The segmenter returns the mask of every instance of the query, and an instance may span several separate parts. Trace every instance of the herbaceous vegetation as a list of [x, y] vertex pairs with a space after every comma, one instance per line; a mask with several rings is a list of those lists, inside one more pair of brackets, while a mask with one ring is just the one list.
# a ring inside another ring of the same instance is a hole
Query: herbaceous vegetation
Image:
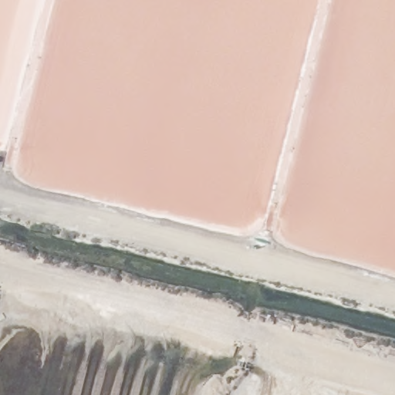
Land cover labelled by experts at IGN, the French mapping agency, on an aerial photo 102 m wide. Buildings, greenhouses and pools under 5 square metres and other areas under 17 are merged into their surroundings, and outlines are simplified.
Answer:
[[313, 324], [322, 329], [338, 329], [349, 338], [361, 338], [375, 346], [395, 347], [395, 338], [343, 326], [338, 322], [299, 316], [296, 313], [285, 315], [279, 310], [264, 307], [261, 309], [261, 321], [265, 321], [265, 316], [270, 315], [272, 322], [290, 319], [301, 324]]
[[76, 241], [76, 231], [68, 231], [52, 224], [35, 224], [31, 227], [32, 230], [43, 233], [43, 236]]
[[2, 238], [0, 233], [0, 244], [12, 252], [25, 252], [23, 244], [15, 241], [14, 236]]
[[197, 384], [208, 380], [210, 376], [227, 372], [231, 367], [230, 361], [225, 356], [214, 358], [199, 352], [190, 358], [187, 356], [187, 346], [182, 346], [177, 341], [162, 341], [160, 344], [164, 346], [165, 355], [171, 358], [182, 356], [170, 395], [194, 395]]

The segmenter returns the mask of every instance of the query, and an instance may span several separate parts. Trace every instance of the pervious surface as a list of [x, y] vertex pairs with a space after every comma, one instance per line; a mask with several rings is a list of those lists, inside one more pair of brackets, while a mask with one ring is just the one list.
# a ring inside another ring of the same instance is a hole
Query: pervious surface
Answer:
[[103, 197], [80, 191], [49, 187], [43, 182], [23, 176], [19, 170], [19, 157], [23, 125], [56, 0], [19, 0], [6, 45], [5, 66], [0, 77], [0, 219], [26, 228], [31, 227], [35, 224], [52, 224], [68, 231], [76, 231], [76, 241], [117, 248], [123, 252], [160, 259], [202, 272], [231, 276], [241, 281], [258, 281], [268, 289], [321, 299], [344, 309], [378, 313], [395, 319], [395, 270], [343, 256], [313, 252], [310, 248], [293, 244], [282, 236], [287, 230], [284, 219], [281, 218], [281, 208], [284, 202], [285, 182], [292, 167], [292, 147], [298, 140], [304, 102], [310, 89], [310, 74], [315, 71], [316, 54], [321, 45], [332, 0], [318, 0], [267, 207], [259, 218], [247, 227], [228, 227], [201, 219], [184, 218], [168, 211], [148, 210], [125, 202], [108, 201]]
[[194, 395], [395, 395], [395, 347], [375, 346], [361, 338], [349, 338], [338, 329], [322, 329], [313, 324], [301, 324], [290, 319], [272, 322], [270, 315], [265, 316], [265, 321], [261, 321], [261, 309], [256, 307], [252, 312], [245, 312], [241, 304], [235, 302], [231, 306], [224, 299], [201, 298], [187, 292], [173, 295], [160, 287], [147, 287], [133, 279], [116, 281], [111, 276], [86, 272], [79, 267], [51, 265], [43, 256], [31, 258], [25, 252], [12, 252], [0, 244], [0, 395], [170, 395], [182, 356], [171, 358], [165, 355], [164, 346], [160, 344], [162, 341], [177, 341], [182, 346], [187, 346], [187, 356], [190, 358], [199, 352], [214, 358], [225, 356], [230, 361], [231, 367], [227, 372], [210, 376], [208, 380], [197, 384]]

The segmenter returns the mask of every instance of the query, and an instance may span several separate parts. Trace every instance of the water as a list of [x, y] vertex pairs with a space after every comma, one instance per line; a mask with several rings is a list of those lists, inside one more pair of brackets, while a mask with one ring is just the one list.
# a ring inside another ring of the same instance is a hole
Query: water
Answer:
[[310, 248], [313, 252], [343, 256], [395, 270], [395, 0], [332, 0], [321, 45], [316, 54], [315, 71], [310, 74], [310, 89], [304, 102], [298, 140], [292, 147], [292, 167], [285, 182], [284, 202], [281, 208], [281, 218], [284, 219], [287, 230], [282, 236], [293, 244]]
[[0, 0], [0, 77], [5, 66], [6, 45], [19, 0]]
[[395, 319], [378, 313], [344, 309], [321, 299], [268, 289], [258, 281], [241, 281], [231, 276], [202, 272], [160, 259], [123, 252], [117, 248], [76, 241], [43, 236], [43, 233], [32, 230], [31, 227], [26, 228], [0, 219], [0, 233], [2, 238], [14, 236], [15, 241], [23, 244], [25, 252], [31, 258], [43, 256], [51, 265], [79, 267], [86, 272], [111, 276], [116, 281], [133, 279], [147, 287], [160, 287], [173, 295], [187, 292], [201, 298], [224, 299], [231, 306], [235, 302], [241, 304], [245, 312], [252, 312], [256, 307], [261, 309], [264, 307], [279, 310], [285, 315], [296, 313], [299, 316], [338, 322], [343, 326], [395, 338]]
[[168, 211], [184, 218], [201, 219], [228, 227], [247, 227], [259, 218], [267, 207], [318, 0], [56, 0], [23, 125], [19, 157], [19, 170], [23, 176], [43, 182], [49, 187], [80, 191], [103, 197], [108, 201], [125, 202], [148, 210]]

